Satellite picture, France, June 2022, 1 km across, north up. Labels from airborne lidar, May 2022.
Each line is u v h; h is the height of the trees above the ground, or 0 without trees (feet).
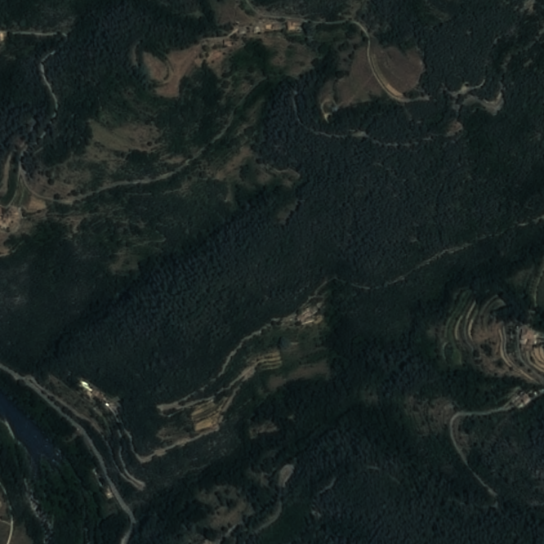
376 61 0
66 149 23
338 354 49
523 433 17
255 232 58
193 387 36
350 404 22
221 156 25
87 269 20
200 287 80
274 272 47
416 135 56
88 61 44
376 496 39
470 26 69
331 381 35
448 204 50
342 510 48
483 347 26
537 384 32
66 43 27
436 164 43
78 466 62
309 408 53
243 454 41
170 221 31
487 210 39
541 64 22
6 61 25
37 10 38
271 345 23
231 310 42
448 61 46
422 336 24
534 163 49
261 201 36
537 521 69
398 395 36
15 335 32
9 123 73
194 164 30
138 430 34
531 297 32
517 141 46
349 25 39
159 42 24
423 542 75
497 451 64
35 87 32
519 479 23
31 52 27
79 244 23
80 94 32
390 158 46
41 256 43
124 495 27
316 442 30
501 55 54
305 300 35
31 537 38
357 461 37
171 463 27
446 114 59
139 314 35
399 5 41
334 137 42
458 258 37
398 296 41
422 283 41
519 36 22
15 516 32
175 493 86
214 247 37
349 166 77
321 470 63
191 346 49
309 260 53
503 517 64
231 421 25
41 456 0
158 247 39
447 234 44
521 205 34
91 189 22
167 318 31
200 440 27
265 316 33
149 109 20
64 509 34
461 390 43
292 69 0
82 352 39
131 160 31
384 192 49
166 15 31
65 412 41
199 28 30
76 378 24
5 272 20
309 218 55
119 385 44
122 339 42
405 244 54
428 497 95
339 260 31
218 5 0
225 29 28
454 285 31
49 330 36
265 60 26
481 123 63
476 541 87
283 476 0
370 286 33
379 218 57
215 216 44
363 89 0
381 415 27
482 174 49
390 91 0
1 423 0
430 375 72
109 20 59
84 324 49
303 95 60
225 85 32
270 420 45
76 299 30
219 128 29
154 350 49
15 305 20
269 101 30
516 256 37
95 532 56
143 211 32
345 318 26
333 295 44
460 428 22
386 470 81
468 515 32
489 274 57
